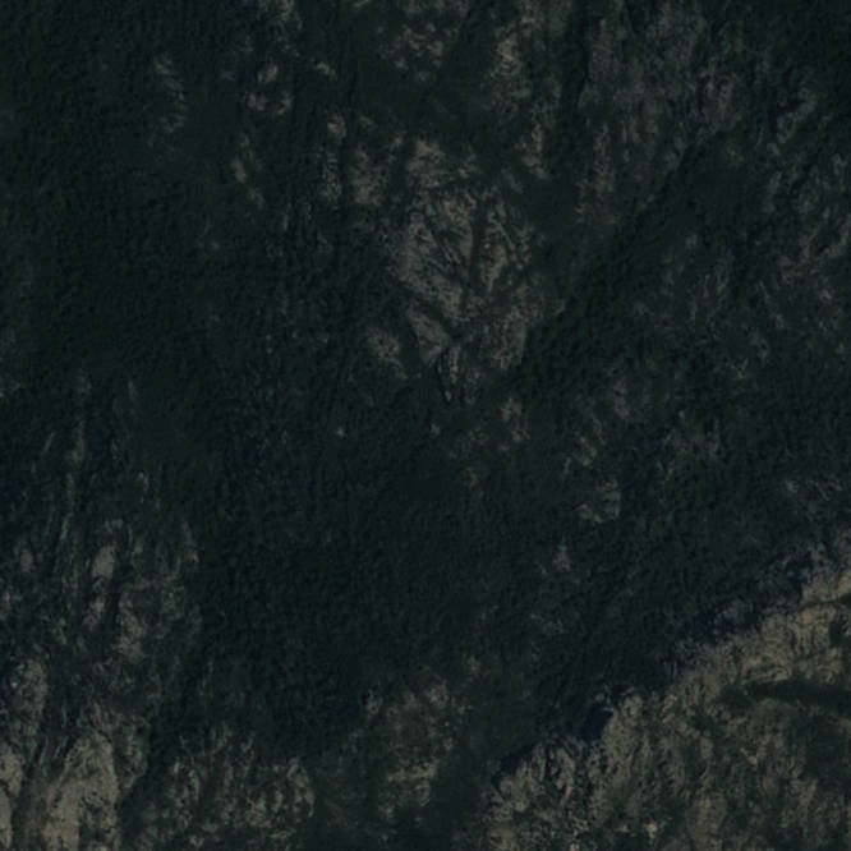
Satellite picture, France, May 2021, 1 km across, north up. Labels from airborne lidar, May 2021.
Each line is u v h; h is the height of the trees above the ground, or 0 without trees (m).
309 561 22
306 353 19
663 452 10
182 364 17
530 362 28
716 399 20
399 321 15
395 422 14
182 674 8
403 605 9
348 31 12
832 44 19
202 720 13
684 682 0
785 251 8
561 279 16
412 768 9
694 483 14
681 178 18
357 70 12
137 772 14
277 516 18
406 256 0
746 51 7
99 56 21
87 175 16
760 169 10
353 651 12
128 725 9
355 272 6
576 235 14
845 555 0
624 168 14
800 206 6
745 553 12
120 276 14
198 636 10
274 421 22
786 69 8
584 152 8
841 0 11
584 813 11
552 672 9
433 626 8
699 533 22
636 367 15
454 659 12
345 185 17
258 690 20
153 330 15
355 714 10
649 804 14
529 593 11
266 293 5
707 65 7
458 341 12
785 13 10
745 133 6
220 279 14
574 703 10
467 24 17
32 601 17
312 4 12
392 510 10
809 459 11
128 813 15
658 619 13
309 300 19
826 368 11
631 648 12
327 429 15
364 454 12
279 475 14
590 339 12
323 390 12
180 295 12
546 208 5
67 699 9
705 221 24
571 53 20
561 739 10
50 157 9
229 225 9
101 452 9
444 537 12
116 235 19
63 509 6
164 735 19
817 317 10
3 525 8
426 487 12
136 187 13
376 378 15
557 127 7
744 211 11
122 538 6
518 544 12
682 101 7
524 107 13
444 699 0
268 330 7
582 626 10
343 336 14
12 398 10
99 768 0
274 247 6
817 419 10
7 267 13
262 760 11
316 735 12
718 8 6
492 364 16
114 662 12
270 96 7
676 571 15
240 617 19
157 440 8
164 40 9
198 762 10
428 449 13
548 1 6
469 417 11
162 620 10
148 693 10
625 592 10
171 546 17
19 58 24
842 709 12
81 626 9
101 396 5
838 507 8
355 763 9
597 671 13
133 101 12
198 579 11
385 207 8
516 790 0
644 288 13
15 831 11
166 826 0
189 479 8
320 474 12
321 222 19
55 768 9
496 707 0
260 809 0
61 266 14
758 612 7
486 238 6
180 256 15
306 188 10
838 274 13
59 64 10
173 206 22
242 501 8
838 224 13
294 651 7
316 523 18
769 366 6
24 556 0
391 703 9
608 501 8
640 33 9
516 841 0
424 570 9
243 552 14
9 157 26
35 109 10
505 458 9
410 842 9
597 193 12
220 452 13
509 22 14
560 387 19
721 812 0
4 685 9
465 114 8
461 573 11
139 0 13
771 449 18
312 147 12
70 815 0
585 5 7
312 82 16
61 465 8
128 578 9
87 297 15
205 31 10
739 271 10
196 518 10
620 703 10
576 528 12
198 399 7
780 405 11
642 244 16
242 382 25
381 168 10
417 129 7
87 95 17
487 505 10
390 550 17
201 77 10
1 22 14
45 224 19
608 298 14
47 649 8
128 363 14
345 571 11
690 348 13
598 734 9
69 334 17
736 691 5
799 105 9
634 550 14
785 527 11
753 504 13
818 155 19
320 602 7
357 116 12
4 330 17
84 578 7
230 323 17
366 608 7
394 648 12
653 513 11
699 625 7
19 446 9
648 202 9
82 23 9
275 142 10
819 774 8
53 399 6
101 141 19
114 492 11
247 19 13
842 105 14
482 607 13
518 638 9
